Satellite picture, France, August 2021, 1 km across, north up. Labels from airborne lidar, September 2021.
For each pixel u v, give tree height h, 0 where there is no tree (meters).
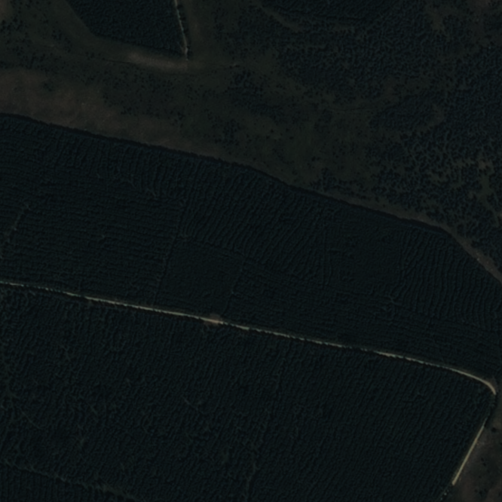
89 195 17
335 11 16
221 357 16
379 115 7
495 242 15
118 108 0
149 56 0
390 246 15
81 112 0
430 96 10
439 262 15
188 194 13
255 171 15
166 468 22
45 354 19
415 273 12
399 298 14
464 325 14
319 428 16
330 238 16
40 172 15
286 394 17
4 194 14
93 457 19
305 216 19
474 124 9
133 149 16
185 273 13
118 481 20
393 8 14
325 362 14
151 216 13
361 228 14
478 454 0
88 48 0
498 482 0
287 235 18
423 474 17
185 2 0
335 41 11
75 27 0
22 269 14
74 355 11
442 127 9
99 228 15
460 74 6
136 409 19
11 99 0
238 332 16
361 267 13
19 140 20
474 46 6
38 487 17
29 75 0
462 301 11
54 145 18
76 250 15
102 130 0
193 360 16
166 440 20
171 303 14
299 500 14
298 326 16
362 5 17
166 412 19
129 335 13
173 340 15
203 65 0
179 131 0
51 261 15
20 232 11
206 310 10
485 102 7
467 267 13
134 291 13
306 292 18
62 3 0
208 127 0
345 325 18
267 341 15
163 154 19
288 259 21
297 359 15
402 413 9
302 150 0
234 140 8
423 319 16
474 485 0
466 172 10
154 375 16
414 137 11
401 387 13
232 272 17
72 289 19
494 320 13
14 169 14
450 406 19
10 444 19
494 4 8
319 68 8
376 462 13
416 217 0
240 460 21
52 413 18
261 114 7
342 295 13
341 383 14
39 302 18
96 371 17
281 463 19
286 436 18
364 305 15
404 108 9
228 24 0
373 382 14
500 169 15
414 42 9
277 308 18
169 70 0
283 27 7
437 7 8
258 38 6
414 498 17
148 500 18
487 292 15
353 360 19
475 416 19
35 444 13
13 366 17
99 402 20
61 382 17
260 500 17
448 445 17
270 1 15
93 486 19
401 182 9
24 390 14
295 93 0
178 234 17
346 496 14
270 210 18
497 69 12
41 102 0
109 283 15
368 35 13
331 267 13
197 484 21
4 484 19
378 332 17
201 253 12
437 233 19
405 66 9
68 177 21
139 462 19
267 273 19
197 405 17
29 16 0
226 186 21
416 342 19
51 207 18
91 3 20
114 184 17
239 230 15
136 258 16
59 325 20
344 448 18
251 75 9
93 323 15
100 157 15
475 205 10
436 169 9
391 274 12
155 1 19
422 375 12
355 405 16
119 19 21
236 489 17
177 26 17
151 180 16
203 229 15
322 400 16
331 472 17
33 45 0
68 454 18
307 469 18
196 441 17
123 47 0
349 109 0
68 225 21
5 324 13
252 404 19
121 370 16
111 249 14
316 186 9
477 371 16
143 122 0
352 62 8
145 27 19
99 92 0
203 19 0
